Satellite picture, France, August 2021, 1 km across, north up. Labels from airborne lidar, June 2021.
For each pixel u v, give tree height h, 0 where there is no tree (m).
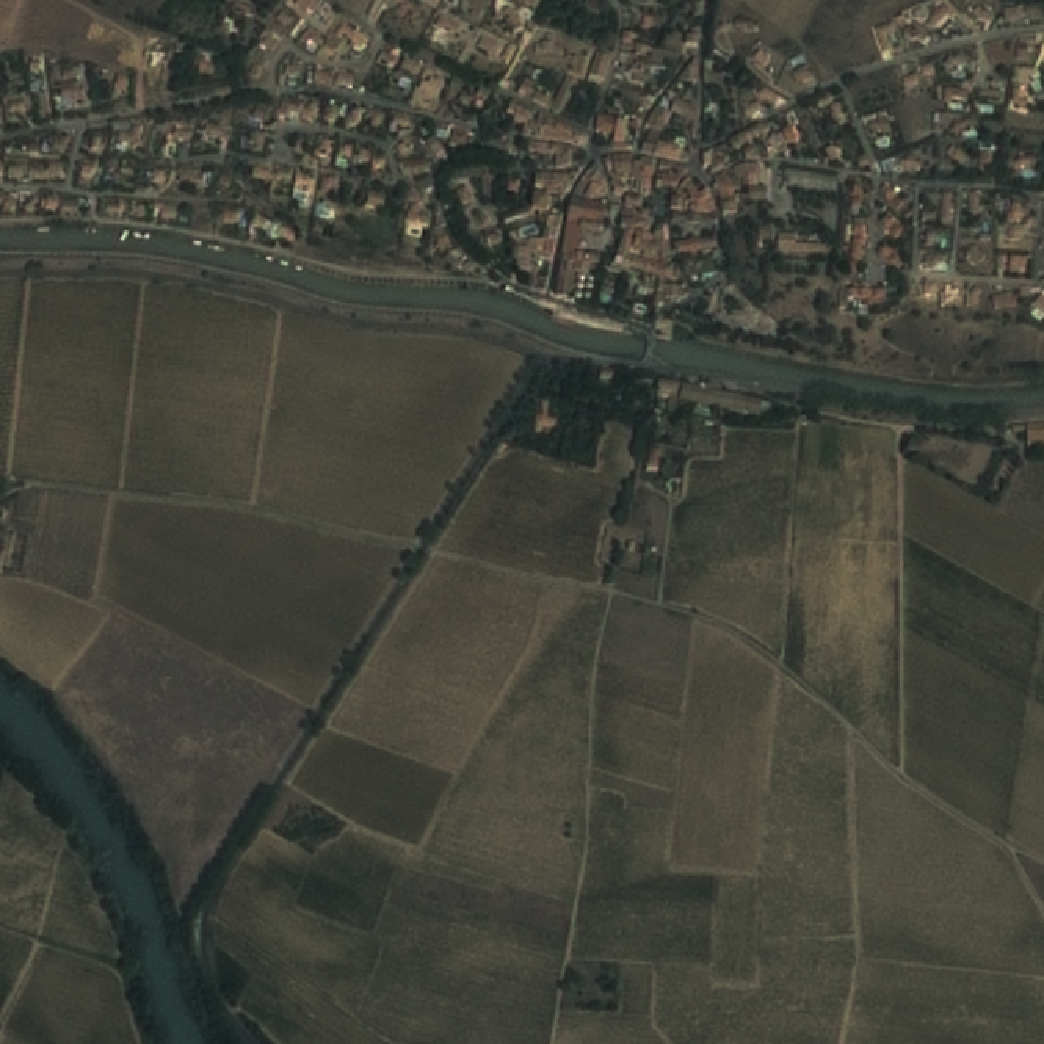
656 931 0
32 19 0
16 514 0
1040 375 23
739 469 0
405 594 0
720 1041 0
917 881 0
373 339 0
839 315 0
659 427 7
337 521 0
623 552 9
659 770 0
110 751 0
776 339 6
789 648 0
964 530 0
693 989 0
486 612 0
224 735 0
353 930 0
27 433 0
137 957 11
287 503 0
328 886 0
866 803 0
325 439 0
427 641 0
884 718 0
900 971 0
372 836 0
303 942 0
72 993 0
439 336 0
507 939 0
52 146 10
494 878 0
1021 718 0
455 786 0
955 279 0
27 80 6
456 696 0
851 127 8
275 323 0
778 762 0
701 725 0
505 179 8
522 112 0
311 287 0
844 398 20
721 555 0
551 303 0
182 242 0
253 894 0
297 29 0
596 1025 0
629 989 0
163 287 0
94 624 0
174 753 0
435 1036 0
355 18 0
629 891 0
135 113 0
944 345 0
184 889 0
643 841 0
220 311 0
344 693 14
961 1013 0
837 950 0
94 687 0
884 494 0
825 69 0
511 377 0
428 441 0
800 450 0
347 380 0
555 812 0
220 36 6
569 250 0
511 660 0
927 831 0
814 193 9
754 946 0
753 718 0
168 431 0
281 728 0
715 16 12
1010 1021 0
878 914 0
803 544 0
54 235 0
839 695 0
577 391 13
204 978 15
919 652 0
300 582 0
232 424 0
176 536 0
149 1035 18
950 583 0
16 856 0
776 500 0
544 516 0
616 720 0
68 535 0
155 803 0
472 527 0
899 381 0
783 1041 0
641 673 0
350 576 0
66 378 0
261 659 0
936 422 16
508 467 0
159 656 0
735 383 0
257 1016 0
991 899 0
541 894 0
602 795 0
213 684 0
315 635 0
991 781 0
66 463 0
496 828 0
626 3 10
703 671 0
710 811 0
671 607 0
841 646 0
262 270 0
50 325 0
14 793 0
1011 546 0
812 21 0
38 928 0
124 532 0
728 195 0
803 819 0
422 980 0
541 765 0
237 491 0
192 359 0
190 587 0
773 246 7
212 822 0
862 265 8
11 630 0
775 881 0
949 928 0
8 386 0
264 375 0
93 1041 0
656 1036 0
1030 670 0
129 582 0
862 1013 0
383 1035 0
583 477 0
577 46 0
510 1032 0
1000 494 8
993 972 0
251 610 0
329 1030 0
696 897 0
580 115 7
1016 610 0
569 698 0
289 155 0
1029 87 0
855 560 0
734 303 15
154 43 0
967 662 0
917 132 0
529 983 0
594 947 0
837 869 0
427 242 10
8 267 0
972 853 0
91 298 0
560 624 0
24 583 0
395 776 0
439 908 0
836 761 0
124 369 0
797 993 0
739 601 0
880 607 0
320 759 0
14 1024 0
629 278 9
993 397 0
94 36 0
